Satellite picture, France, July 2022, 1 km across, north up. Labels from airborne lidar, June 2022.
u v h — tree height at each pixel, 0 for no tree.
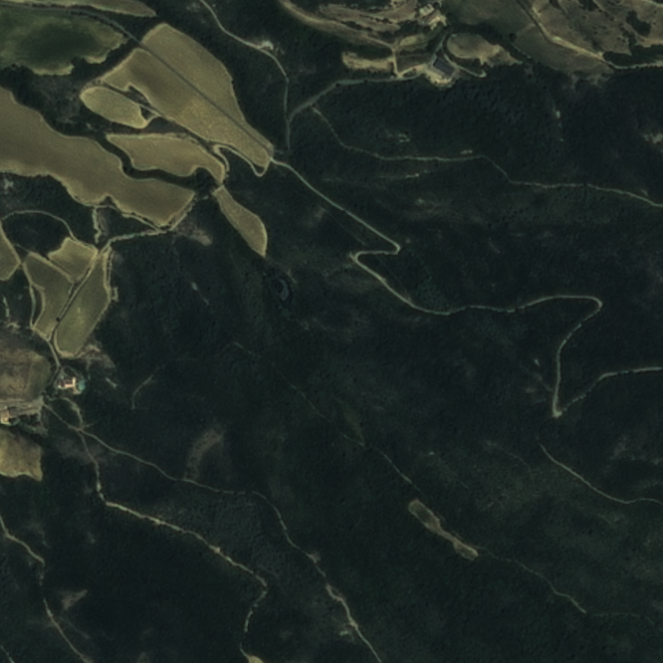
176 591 7
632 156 7
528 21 0
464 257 6
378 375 8
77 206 6
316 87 8
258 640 6
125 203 0
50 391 8
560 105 7
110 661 6
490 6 0
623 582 6
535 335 6
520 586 8
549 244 6
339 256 9
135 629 5
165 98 0
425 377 6
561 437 6
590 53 0
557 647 8
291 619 5
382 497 10
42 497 7
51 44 0
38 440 12
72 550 6
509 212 8
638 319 7
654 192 6
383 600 9
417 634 9
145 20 6
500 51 0
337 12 0
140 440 6
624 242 6
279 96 7
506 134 6
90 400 8
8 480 7
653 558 6
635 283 5
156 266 9
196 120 0
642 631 6
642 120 8
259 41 0
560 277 6
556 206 8
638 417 8
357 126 7
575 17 0
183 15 6
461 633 9
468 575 6
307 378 7
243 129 0
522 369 6
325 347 7
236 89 7
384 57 0
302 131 7
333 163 9
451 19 7
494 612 8
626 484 6
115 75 0
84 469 9
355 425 0
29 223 6
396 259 5
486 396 6
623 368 7
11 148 0
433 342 6
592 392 7
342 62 8
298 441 6
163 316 8
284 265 0
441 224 6
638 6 0
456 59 8
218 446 0
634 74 9
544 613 10
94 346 0
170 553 7
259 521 10
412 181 7
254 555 10
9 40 0
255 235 0
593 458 6
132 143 0
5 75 14
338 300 7
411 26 13
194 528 8
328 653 5
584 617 9
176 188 0
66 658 5
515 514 7
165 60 0
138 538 8
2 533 0
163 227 7
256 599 11
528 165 11
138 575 8
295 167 6
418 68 0
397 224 6
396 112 7
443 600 7
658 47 8
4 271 0
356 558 12
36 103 14
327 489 10
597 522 6
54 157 0
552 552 7
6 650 6
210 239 0
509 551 8
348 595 7
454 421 6
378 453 6
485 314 6
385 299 6
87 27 0
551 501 6
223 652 7
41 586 6
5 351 0
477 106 11
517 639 8
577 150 7
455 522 6
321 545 7
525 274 5
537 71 9
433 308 7
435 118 7
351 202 7
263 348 10
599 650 8
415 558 9
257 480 5
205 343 8
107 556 6
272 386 10
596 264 7
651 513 8
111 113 0
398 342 8
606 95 8
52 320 0
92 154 0
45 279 0
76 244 0
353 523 6
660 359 12
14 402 0
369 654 8
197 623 7
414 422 5
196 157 0
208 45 10
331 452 8
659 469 6
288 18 7
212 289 8
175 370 5
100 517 7
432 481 6
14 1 0
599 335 8
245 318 6
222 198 0
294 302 15
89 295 0
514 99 6
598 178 7
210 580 6
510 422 6
